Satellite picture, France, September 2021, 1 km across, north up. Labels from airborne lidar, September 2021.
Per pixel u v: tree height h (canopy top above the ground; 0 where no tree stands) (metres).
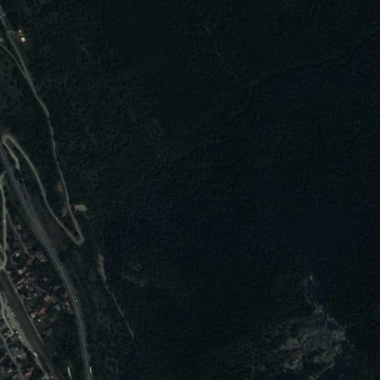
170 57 22
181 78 19
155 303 23
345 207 23
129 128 18
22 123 8
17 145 0
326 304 12
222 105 12
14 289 0
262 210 14
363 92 23
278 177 22
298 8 17
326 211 20
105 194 12
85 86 13
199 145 14
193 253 22
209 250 24
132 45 21
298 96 23
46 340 0
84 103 13
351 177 23
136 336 12
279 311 22
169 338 22
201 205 17
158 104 21
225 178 32
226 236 29
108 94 16
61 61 15
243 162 33
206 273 25
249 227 28
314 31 18
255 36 20
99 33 22
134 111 17
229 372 13
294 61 22
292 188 27
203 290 27
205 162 18
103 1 18
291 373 12
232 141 33
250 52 20
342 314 19
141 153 18
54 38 13
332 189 21
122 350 9
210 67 18
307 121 23
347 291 26
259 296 30
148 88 20
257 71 19
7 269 10
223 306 29
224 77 16
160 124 22
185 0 18
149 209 19
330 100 22
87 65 10
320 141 25
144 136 8
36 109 12
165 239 20
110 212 16
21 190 0
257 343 12
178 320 25
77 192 11
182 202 17
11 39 0
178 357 23
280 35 24
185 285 21
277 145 17
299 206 25
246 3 21
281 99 19
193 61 19
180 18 21
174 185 21
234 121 31
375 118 17
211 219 15
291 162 23
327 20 21
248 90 9
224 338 19
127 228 26
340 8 16
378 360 14
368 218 26
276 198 19
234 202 27
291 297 15
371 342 22
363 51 25
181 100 24
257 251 21
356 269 28
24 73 0
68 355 16
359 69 21
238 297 28
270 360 12
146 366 14
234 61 19
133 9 17
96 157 16
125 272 14
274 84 22
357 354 11
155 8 17
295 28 19
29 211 0
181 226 23
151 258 21
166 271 17
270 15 21
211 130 20
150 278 16
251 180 20
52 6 9
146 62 17
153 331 15
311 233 25
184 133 12
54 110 15
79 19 17
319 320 0
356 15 18
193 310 24
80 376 7
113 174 15
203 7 22
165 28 17
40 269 7
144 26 23
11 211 13
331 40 20
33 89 0
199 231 19
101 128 14
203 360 19
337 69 19
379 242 28
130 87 16
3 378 0
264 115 18
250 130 28
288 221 24
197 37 20
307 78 23
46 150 16
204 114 18
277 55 18
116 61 17
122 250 16
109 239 14
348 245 16
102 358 17
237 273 27
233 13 24
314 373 13
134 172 22
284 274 16
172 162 15
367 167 17
